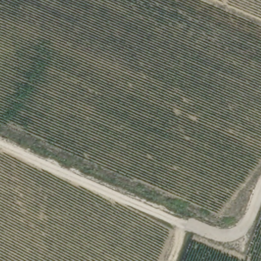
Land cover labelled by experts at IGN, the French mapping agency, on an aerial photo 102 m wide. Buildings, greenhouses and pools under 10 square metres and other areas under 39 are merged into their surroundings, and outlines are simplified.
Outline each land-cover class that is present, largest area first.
<instances>
[{"label":"vineyard","instance_id":"1","mask_svg":"<svg viewBox=\"0 0 261 261\"><path fill-rule=\"evenodd\" d=\"M5 139L20 148L29 149L42 158L53 159L61 167L75 168L84 175L164 206L177 218H194L219 228L234 226L244 217L261 175V0H0V141ZM174 225L135 207L110 201L82 186H75L66 179L0 150V261H167L174 243ZM176 261H261V206L252 227L236 240L219 242L187 231Z\"/></svg>","mask_w":261,"mask_h":261},{"label":"pervious surface","instance_id":"2","mask_svg":"<svg viewBox=\"0 0 261 261\"><path fill-rule=\"evenodd\" d=\"M0 150L66 179L75 186H82L110 201L135 207L174 225V243L167 261H176L187 231L219 242L236 240L252 227L261 206V175L244 217L234 226L219 228L194 218H177L164 206L84 175L75 168L61 167L53 159L42 158L29 149L20 148L5 139L0 141Z\"/></svg>","mask_w":261,"mask_h":261}]
</instances>
